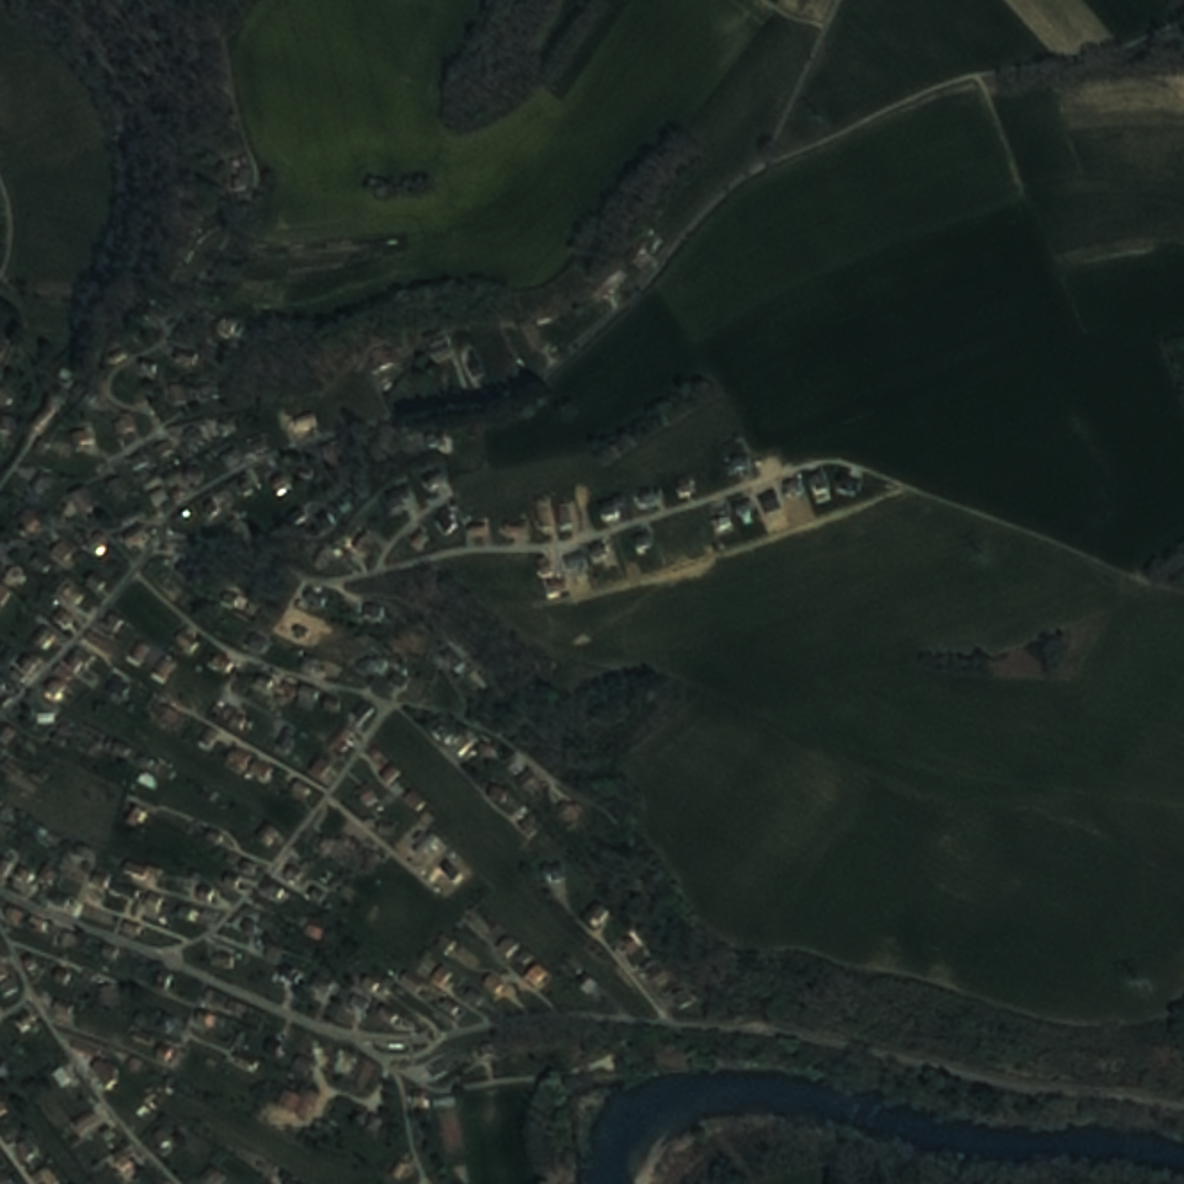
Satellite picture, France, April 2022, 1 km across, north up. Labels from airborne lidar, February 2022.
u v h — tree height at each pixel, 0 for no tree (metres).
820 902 0
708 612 0
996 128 0
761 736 0
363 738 0
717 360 0
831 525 0
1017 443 0
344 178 0
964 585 0
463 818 0
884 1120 0
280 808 0
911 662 0
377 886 0
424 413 17
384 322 25
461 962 0
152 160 24
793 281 0
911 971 0
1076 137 0
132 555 0
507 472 0
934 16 0
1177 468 0
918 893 0
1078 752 0
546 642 0
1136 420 0
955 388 0
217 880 0
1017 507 0
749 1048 16
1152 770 0
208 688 0
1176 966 0
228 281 20
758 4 0
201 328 21
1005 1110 28
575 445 0
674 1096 0
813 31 0
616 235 27
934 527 0
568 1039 24
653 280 0
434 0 0
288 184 0
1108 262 0
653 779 0
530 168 0
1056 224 0
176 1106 0
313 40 0
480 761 0
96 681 0
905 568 0
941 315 0
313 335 23
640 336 0
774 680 0
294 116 0
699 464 0
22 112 0
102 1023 0
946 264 0
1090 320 0
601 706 20
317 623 0
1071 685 0
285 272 0
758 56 0
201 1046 0
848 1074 26
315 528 6
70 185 0
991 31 0
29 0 28
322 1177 0
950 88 0
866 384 0
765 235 0
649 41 0
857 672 0
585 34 19
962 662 10
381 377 0
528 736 17
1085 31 0
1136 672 0
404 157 0
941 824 0
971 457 0
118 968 0
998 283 0
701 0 0
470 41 11
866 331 0
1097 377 0
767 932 0
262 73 0
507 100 20
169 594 0
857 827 0
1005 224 0
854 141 0
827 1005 15
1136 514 0
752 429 0
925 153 0
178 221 29
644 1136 0
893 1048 14
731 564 0
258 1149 0
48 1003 0
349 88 0
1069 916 0
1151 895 0
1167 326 0
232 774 0
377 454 0
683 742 0
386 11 0
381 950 0
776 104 0
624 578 0
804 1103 0
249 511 0
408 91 0
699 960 16
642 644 0
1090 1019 0
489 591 0
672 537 0
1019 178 0
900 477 0
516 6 18
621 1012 0
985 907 0
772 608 0
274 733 0
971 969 0
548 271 0
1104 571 0
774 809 0
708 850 0
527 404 23
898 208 0
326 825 0
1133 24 0
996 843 0
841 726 0
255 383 23
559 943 0
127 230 22
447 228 0
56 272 0
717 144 0
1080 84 0
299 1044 0
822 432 0
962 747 0
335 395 0
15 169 0
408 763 0
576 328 0
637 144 0
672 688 13
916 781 0
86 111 0
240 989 0
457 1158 0
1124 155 0
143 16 22
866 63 0
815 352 0
